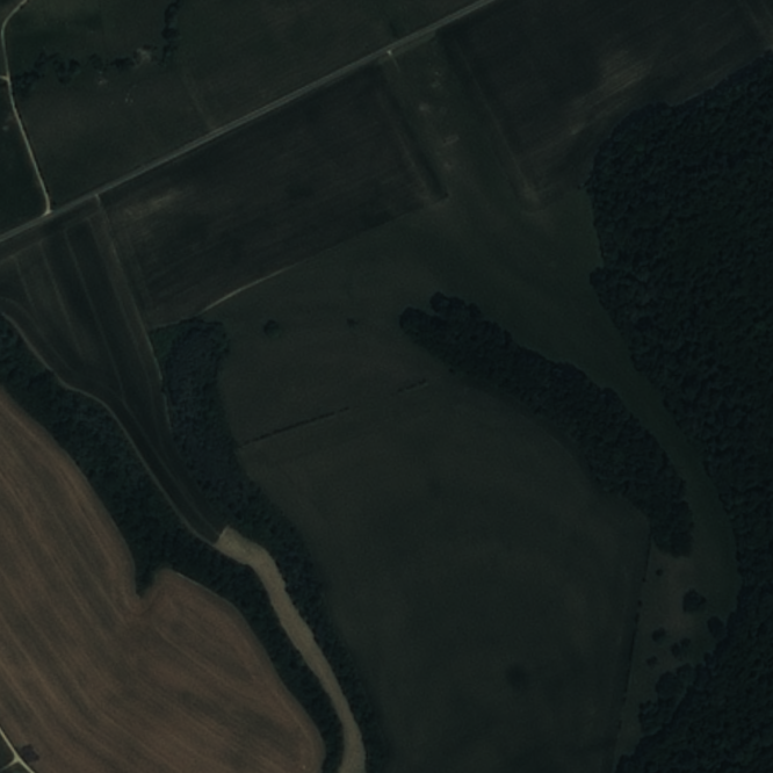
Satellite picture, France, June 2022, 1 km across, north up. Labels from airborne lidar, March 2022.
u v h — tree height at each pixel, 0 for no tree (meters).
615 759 0
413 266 0
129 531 6
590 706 0
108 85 0
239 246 0
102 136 0
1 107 0
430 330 20
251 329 0
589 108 0
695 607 18
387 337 0
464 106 0
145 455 0
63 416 12
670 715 16
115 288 0
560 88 0
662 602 0
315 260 0
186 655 0
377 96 0
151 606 0
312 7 0
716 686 23
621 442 26
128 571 0
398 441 0
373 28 0
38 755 0
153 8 0
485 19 0
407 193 0
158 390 0
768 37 0
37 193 0
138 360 0
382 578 0
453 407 0
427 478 0
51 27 0
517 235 0
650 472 28
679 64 0
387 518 0
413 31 0
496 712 0
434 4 0
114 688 0
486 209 0
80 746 0
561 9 0
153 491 6
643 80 0
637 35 0
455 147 0
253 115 0
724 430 27
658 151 24
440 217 0
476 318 24
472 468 0
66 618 0
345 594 0
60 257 0
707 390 18
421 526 0
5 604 0
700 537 0
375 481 0
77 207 0
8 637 0
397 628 0
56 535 0
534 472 0
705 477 0
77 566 0
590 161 0
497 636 0
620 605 0
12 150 0
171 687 0
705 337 10
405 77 0
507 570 0
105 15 0
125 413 0
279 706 0
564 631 0
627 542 0
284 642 18
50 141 0
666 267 16
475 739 0
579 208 0
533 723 0
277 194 0
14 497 0
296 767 0
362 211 0
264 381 0
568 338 0
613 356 0
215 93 0
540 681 0
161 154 0
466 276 0
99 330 0
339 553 0
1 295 0
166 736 0
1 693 0
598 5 0
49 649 0
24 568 0
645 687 0
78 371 0
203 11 0
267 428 0
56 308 0
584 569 0
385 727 0
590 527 0
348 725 0
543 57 0
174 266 0
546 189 0
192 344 13
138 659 0
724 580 0
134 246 0
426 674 0
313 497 0
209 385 11
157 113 0
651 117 23
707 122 22
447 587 0
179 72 0
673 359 23
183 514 0
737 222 7
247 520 17
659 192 25
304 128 0
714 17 0
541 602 0
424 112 0
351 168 0
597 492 0
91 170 0
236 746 0
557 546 0
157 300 0
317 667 0
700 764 6
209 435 12
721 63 0
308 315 0
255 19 0
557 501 0
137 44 0
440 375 0
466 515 0
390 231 0
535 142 0
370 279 0
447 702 0
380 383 0
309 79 0
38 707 0
